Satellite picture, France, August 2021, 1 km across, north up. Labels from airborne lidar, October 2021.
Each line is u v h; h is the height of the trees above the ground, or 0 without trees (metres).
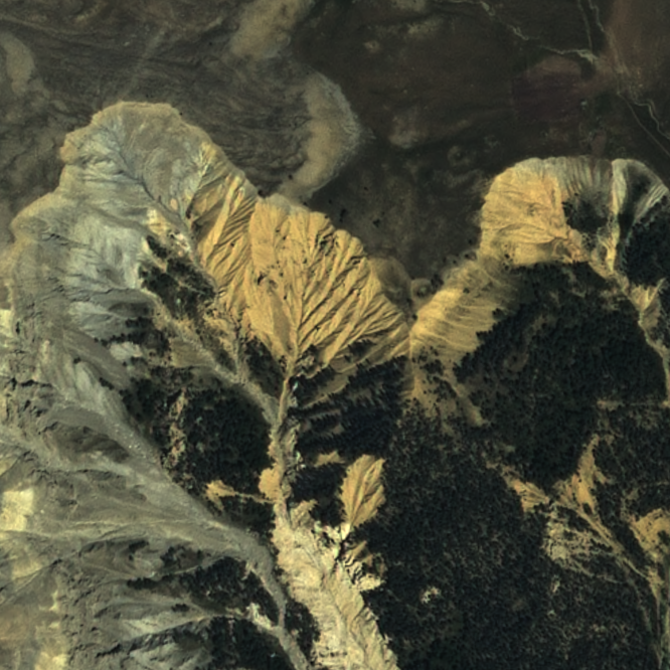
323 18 0
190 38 0
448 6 0
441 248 0
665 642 0
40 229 0
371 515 0
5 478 0
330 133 0
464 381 15
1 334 0
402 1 0
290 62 0
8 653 0
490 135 0
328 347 0
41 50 0
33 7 0
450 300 0
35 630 0
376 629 0
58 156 0
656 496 10
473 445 8
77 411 0
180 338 0
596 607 15
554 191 0
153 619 0
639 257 6
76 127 0
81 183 0
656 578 0
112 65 0
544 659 12
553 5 0
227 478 19
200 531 0
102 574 0
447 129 0
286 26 0
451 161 0
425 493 12
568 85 0
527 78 0
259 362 10
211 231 0
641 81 0
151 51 0
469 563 10
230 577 13
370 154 0
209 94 0
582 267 12
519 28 0
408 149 0
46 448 0
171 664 0
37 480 0
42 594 0
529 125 0
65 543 0
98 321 0
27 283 0
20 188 0
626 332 15
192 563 0
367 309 0
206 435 17
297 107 0
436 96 0
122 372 0
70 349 0
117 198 0
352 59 0
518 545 7
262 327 0
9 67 0
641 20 0
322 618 0
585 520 14
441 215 0
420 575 12
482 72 0
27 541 0
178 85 0
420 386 0
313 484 17
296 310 0
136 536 0
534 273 17
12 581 0
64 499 0
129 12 0
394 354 0
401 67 0
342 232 0
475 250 0
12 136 0
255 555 0
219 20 0
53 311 0
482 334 11
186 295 0
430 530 12
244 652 15
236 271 0
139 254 0
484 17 0
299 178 0
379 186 0
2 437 0
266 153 0
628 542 17
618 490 14
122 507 0
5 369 0
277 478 0
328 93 0
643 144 0
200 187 0
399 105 0
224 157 0
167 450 0
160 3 0
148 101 0
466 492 15
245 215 0
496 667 13
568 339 15
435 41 0
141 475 0
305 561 0
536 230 0
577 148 0
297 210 0
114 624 0
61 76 0
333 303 0
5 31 0
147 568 0
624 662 12
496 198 0
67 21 0
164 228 0
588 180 0
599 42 0
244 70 0
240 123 0
